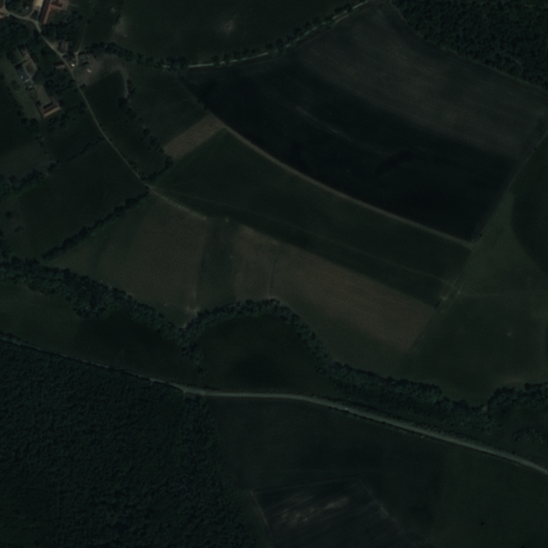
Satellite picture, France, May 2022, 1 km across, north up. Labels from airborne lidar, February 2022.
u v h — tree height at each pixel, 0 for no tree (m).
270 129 0
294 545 0
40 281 23
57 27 9
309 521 0
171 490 23
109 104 0
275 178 0
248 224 0
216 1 0
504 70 9
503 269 0
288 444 0
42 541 8
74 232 0
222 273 0
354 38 0
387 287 0
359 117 0
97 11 0
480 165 0
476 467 0
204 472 17
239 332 0
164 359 0
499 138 0
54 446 25
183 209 0
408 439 0
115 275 0
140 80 0
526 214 0
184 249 0
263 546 0
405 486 0
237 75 0
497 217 0
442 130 0
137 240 0
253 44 0
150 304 0
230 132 0
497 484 0
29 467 17
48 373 18
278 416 0
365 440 0
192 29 0
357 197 0
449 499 0
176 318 0
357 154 0
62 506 8
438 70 0
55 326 0
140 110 0
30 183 17
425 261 0
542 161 0
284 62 0
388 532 0
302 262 0
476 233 0
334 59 0
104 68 0
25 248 0
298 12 0
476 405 0
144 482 21
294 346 0
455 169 0
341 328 0
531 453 0
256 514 0
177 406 15
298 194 0
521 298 0
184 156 0
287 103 0
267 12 0
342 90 0
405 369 0
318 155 0
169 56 0
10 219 14
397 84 0
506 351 0
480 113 0
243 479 0
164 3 0
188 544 20
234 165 0
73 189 0
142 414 19
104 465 17
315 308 0
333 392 0
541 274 0
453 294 0
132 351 0
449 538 0
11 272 25
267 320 0
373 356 0
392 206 0
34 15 8
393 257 0
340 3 0
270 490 0
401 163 0
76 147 0
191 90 0
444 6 9
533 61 10
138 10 0
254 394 0
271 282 0
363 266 0
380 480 0
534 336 0
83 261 0
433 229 0
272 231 0
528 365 0
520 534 0
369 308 0
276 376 0
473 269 0
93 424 18
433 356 0
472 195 0
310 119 0
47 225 0
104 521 28
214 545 19
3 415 24
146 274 0
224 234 0
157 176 12
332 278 0
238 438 0
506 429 0
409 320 0
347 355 0
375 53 0
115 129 0
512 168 0
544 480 0
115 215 6
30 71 17
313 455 0
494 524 0
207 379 0
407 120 0
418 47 0
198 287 0
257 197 0
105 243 0
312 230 0
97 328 0
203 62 0
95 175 0
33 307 0
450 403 18
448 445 0
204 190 0
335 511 0
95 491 19
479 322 0
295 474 0
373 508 0
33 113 0
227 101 0
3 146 0
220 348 0
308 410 0
